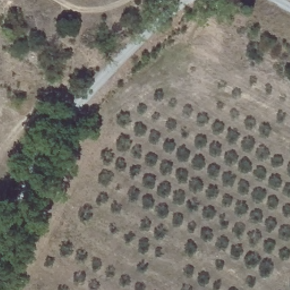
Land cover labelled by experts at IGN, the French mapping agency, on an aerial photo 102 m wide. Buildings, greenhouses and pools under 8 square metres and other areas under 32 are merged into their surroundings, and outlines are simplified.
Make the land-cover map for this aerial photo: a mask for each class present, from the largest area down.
<instances>
[{"label":"plowed land","instance_id":"1","mask_svg":"<svg viewBox=\"0 0 290 290\"><path fill-rule=\"evenodd\" d=\"M193 0H180L178 11H174L172 14V26L174 29L179 28L180 19L185 14V7L193 6ZM246 25V16H234L230 26L215 23L212 26L201 27L190 20L187 31L174 35L173 43H189L195 56L190 62H179L178 70L187 71L188 75L181 77L179 82L170 84V87L177 89L176 97H172L169 103L164 99L154 100L155 91L151 85L139 86L135 83L113 96L123 111L130 112V122L135 125L128 134H121L117 144L111 147L114 154L111 162L116 164V168L111 170L112 180L117 184L118 194L109 196L105 203H93V216L87 221H82L85 228L71 236L69 241H63L57 250H51L49 256L54 257V262L59 264L53 273L35 265V270L28 274L29 281L24 290H290V79L281 78L276 74L273 66L278 59L273 58L271 54L265 53L262 62L254 67L250 66V59L247 56L248 37L246 34L237 33L239 27ZM222 79H224V80H227V85L231 86L232 88H240V89H241V94H249L250 96H254V100H253V101H248V100L242 99V97H241L240 95H239V96H237V97H233V96H232V92H231V93H227V92H224V87H222V88H220V87H217V83H219V82H220V80H222ZM249 250L257 251L261 257L272 259L273 271L265 278L259 272V266L246 265L245 257Z\"/></svg>","mask_w":290,"mask_h":290},{"label":"deciduous trees","instance_id":"2","mask_svg":"<svg viewBox=\"0 0 290 290\"><path fill-rule=\"evenodd\" d=\"M180 0H135L131 7H119L102 12L99 33L95 35V41L99 45L96 49L103 53L104 59L109 62L125 49L122 40L130 35L144 31L152 34L164 31L169 33L168 40L157 43L152 51L143 50L142 59L131 68V72L147 66L150 58H156L161 48L173 43L174 35L187 31L190 20L201 27L212 26L215 23L230 26L234 16H246L253 12L256 0H193V6L185 7V14L180 19L179 28L174 29L172 26V14L174 11H178ZM0 26L2 34L12 42L11 45H2V50L9 52L12 58L19 61H22L26 54L32 63L39 61L42 68L40 75L45 76L43 84L46 86L37 89L39 100L33 113L29 114L27 121L23 123L24 134L8 152L7 174L15 181L26 182L24 194L18 198H0V290H24L29 281L28 274L35 270V265L36 242L49 230L50 210L54 203L67 201L70 180L77 176L78 168H83V164L78 161L82 152L80 147L87 144V138H99L102 126L99 104H75V99H93L96 91L91 86L100 67L76 68L69 78L63 77L66 61L72 56V49H65L57 42L60 37L78 34L82 26L80 14L77 11L65 10L57 17V33L52 36L51 41L46 40L45 33L34 26L33 16H24L22 8L10 7L7 14L0 16ZM258 23L246 25L239 27L237 33L246 34L248 37L247 56L250 59V66L254 67L262 62L265 53L271 54L273 58L278 59L273 66L276 74L281 78L290 79V42L279 39L267 31L262 34L258 31ZM217 87H220V88H222V87H224V92H227V93H231V92H232V96H233V97H237V96H239V95H240L241 97H242V99L248 100V101H253V100H254V96H250L249 94H241V89H240V88H232L231 86L227 85V80H224V79H222V80H220V82H219V83H217ZM0 86L7 89V99L16 110L26 99V92L11 89L8 84L0 85ZM246 265L259 266V272L265 278L273 271L272 259L261 257L257 251L249 250L245 257Z\"/></svg>","mask_w":290,"mask_h":290},{"label":"herbaceous vegetation","instance_id":"3","mask_svg":"<svg viewBox=\"0 0 290 290\"><path fill-rule=\"evenodd\" d=\"M61 0H0V16L7 14L10 7L22 8L24 16H33L34 26L45 33L46 40L51 41L52 36L57 33V17L65 10L59 5ZM258 23V31L262 34L267 31L279 39L290 42V0H256L253 12L246 16V25ZM82 26L78 34L60 37L57 42L65 49H72V56L66 61L63 77L69 78L76 68L100 67L91 86L96 91L93 99H75V104H99L102 126L99 138H87V144L80 147L82 152L78 161L83 164V168H78L77 176L70 180L67 201L54 203L50 210L49 230L36 242L35 265L53 273L59 264L54 262V257L49 256L51 250H57L63 241H69L71 236L85 228L82 221H87L93 216V203H105L109 196L118 194L117 184L112 180L111 170L116 168V164L111 162L114 154L111 147L117 144L121 134H128L135 125L130 122V112L123 111L113 96L135 83L139 86L151 85L155 91L154 100L164 99L169 103L172 97H176L177 89L170 87V84L179 82L181 77L188 75L187 71L178 70L179 62H190L195 56L189 43H173L161 48L156 58H150L147 66L131 72V68L142 59L143 50L152 51L157 43L168 40L169 33L164 31L152 34L144 31L130 35L122 40L125 49L109 62L104 59L103 53L96 49L99 45L95 41V35L99 33L102 12L80 14ZM12 42L2 34L0 26V85L8 84L11 89L26 92V99L16 110L7 99V89L0 86V198H18L24 194L26 182L15 181L7 174L8 152L24 134L23 123L27 121L29 114L33 113L39 100L37 89L46 86L43 84L45 76L40 75L42 68L39 61L32 63L26 54L22 61H19L12 58L9 52L2 50V45H11Z\"/></svg>","mask_w":290,"mask_h":290},{"label":"pervious surface","instance_id":"4","mask_svg":"<svg viewBox=\"0 0 290 290\"><path fill-rule=\"evenodd\" d=\"M135 0H61L59 5L65 10L77 11L80 14L102 12L119 7H131Z\"/></svg>","mask_w":290,"mask_h":290}]
</instances>
